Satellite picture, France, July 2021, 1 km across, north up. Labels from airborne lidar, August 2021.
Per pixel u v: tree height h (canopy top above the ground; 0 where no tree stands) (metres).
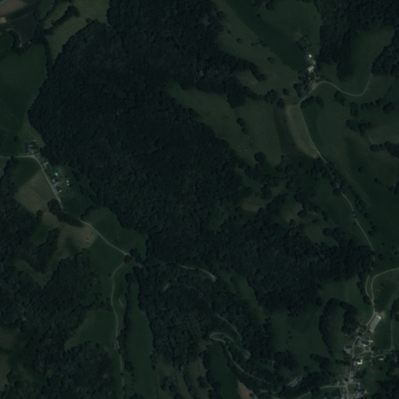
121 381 0
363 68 0
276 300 29
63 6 0
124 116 23
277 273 23
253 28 0
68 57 23
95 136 26
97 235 0
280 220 0
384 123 0
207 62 15
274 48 0
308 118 0
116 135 27
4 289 24
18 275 12
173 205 29
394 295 0
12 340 0
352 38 19
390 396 21
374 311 0
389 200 0
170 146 23
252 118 0
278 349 0
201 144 19
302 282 28
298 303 23
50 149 20
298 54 0
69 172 0
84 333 0
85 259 20
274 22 0
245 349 21
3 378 0
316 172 22
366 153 0
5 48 0
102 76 19
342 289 0
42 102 20
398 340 0
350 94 0
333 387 0
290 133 0
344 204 0
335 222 0
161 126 22
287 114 0
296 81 0
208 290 20
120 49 27
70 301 29
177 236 19
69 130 27
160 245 27
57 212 18
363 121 7
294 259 22
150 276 18
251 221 20
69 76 24
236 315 21
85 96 31
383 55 17
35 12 12
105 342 0
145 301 19
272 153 0
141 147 27
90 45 20
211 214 22
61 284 16
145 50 24
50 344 24
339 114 0
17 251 24
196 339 19
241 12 0
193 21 24
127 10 20
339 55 31
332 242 0
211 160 29
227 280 0
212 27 23
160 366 0
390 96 0
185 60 30
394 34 0
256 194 13
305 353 0
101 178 28
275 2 19
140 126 21
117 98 22
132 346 0
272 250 30
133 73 19
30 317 20
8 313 23
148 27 27
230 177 24
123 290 0
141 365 0
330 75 0
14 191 17
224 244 26
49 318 20
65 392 24
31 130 0
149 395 0
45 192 0
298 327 0
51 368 24
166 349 20
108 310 14
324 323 20
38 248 17
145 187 19
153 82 20
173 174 30
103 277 0
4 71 0
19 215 15
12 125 0
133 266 0
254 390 10
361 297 0
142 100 23
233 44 0
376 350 13
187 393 0
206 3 17
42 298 21
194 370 0
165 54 24
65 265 16
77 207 0
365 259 24
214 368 0
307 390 12
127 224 27
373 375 0
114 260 0
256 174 24
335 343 0
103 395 26
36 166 0
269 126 0
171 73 27
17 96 0
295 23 0
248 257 21
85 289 14
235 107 13
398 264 0
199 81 23
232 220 25
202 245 25
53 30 18
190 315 21
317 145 0
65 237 0
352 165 0
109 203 27
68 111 24
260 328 13
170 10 27
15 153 0
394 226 0
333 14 21
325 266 28
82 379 28
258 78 19
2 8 0
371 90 0
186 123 29
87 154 27
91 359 17
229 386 0
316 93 0
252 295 0
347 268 6
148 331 0
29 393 22
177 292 21
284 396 12
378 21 23
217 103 0
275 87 0
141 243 0
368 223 0
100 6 0
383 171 0
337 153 0
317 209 24
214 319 23
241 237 26
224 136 0
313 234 0
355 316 19
